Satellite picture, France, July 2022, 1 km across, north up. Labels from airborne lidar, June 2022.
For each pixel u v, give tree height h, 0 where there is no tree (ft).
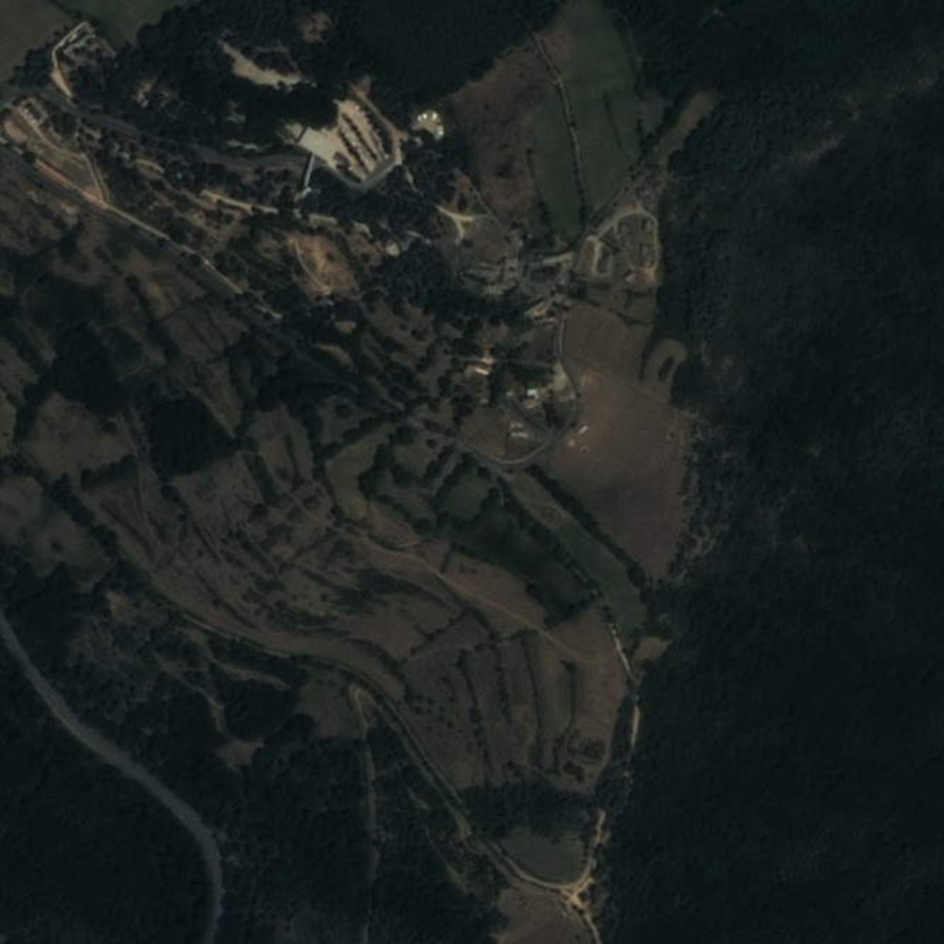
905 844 42
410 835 33
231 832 31
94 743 0
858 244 35
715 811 86
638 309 0
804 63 41
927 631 83
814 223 31
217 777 45
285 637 0
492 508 50
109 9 0
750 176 32
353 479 0
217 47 52
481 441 0
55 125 45
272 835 54
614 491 0
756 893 87
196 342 0
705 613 38
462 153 42
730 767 79
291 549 0
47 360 0
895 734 82
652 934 73
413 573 0
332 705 0
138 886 70
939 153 39
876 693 88
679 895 62
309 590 0
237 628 0
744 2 65
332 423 0
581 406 0
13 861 18
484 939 23
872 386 73
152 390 34
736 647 27
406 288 30
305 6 39
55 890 24
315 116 62
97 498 0
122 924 36
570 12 0
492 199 0
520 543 0
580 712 0
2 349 0
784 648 73
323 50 59
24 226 0
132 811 57
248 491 0
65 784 85
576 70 0
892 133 42
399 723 23
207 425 49
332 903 40
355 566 0
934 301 43
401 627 0
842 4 72
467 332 28
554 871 0
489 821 30
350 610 0
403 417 39
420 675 0
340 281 0
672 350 0
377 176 0
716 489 36
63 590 49
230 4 53
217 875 0
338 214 53
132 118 55
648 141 35
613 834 30
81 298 0
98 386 78
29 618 80
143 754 40
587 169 0
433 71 47
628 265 0
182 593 0
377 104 43
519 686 0
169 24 60
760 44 52
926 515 44
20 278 28
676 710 28
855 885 92
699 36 64
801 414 50
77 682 43
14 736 20
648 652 0
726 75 39
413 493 0
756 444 49
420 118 0
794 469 26
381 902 58
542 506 0
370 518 0
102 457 0
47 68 52
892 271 49
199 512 0
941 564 86
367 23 45
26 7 0
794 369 44
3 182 0
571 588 0
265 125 60
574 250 33
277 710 92
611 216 0
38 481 42
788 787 60
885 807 100
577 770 34
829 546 20
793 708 84
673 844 69
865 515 71
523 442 0
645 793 33
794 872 75
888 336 44
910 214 38
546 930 0
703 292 50
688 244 31
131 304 0
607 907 27
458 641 0
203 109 57
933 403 34
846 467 25
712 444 25
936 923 62
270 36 42
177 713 56
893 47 29
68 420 0
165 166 44
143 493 0
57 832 37
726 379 0
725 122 51
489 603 0
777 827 60
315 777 31
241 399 23
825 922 73
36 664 52
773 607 32
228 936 75
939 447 35
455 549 31
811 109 32
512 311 21
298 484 22
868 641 54
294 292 22
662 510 0
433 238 33
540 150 0
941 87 22
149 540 0
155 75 32
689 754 53
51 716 46
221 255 28
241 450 25
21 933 39
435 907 36
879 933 85
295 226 48
